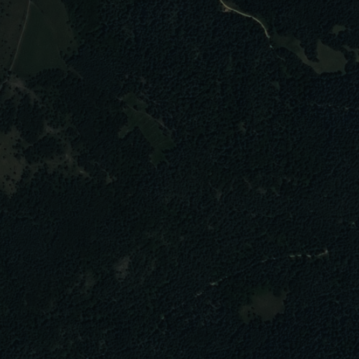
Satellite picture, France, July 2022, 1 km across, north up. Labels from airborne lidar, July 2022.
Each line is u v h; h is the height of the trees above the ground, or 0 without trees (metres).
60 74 11
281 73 27
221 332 25
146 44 26
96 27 15
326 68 0
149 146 18
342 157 27
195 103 24
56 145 13
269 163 15
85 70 19
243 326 29
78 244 18
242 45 29
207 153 16
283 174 12
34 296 12
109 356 27
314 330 29
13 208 15
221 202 21
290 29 26
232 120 10
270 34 19
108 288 18
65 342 14
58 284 21
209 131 25
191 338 31
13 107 9
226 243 24
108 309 25
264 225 16
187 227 21
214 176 10
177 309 27
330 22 24
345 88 33
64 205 13
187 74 13
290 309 21
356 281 18
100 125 8
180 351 29
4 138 0
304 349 19
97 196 10
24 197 8
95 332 12
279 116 22
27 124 14
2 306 20
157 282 24
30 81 9
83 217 14
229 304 24
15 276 21
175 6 16
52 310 9
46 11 0
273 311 0
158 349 26
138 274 18
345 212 24
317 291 24
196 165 9
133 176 7
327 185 24
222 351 20
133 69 23
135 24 20
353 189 29
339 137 30
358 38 25
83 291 6
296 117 12
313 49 32
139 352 18
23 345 21
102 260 13
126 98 0
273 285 25
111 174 9
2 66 6
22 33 0
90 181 8
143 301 11
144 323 24
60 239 14
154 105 12
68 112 5
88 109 11
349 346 9
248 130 22
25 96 12
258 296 0
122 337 25
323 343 14
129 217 18
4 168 0
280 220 20
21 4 0
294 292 21
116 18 23
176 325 25
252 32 27
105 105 12
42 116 11
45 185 14
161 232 13
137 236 21
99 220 14
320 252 21
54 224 15
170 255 17
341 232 23
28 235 20
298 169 9
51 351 7
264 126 24
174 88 25
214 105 22
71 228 15
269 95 12
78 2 14
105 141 17
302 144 19
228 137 17
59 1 0
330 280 21
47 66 0
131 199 10
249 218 20
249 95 11
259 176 9
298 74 20
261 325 14
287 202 18
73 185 11
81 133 14
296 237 15
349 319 22
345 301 22
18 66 0
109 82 21
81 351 17
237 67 19
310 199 20
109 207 11
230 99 23
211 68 21
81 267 8
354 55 12
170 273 22
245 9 20
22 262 11
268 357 23
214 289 33
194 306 22
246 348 25
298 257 18
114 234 17
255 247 25
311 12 26
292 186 20
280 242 6
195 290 22
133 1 13
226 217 21
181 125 19
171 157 20
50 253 17
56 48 0
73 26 11
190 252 25
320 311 21
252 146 26
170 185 12
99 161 13
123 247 13
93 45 16
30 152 12
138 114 0
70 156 0
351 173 25
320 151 15
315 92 26
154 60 21
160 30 26
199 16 32
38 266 19
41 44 0
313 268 22
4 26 0
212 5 24
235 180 11
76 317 9
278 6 11
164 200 14
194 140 21
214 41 24
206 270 22
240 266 24
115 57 11
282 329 23
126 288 20
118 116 15
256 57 20
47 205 13
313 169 16
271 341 22
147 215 17
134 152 14
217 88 8
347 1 21
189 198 10
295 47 0
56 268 18
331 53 0
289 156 19
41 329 21
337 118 28
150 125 0
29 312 13
